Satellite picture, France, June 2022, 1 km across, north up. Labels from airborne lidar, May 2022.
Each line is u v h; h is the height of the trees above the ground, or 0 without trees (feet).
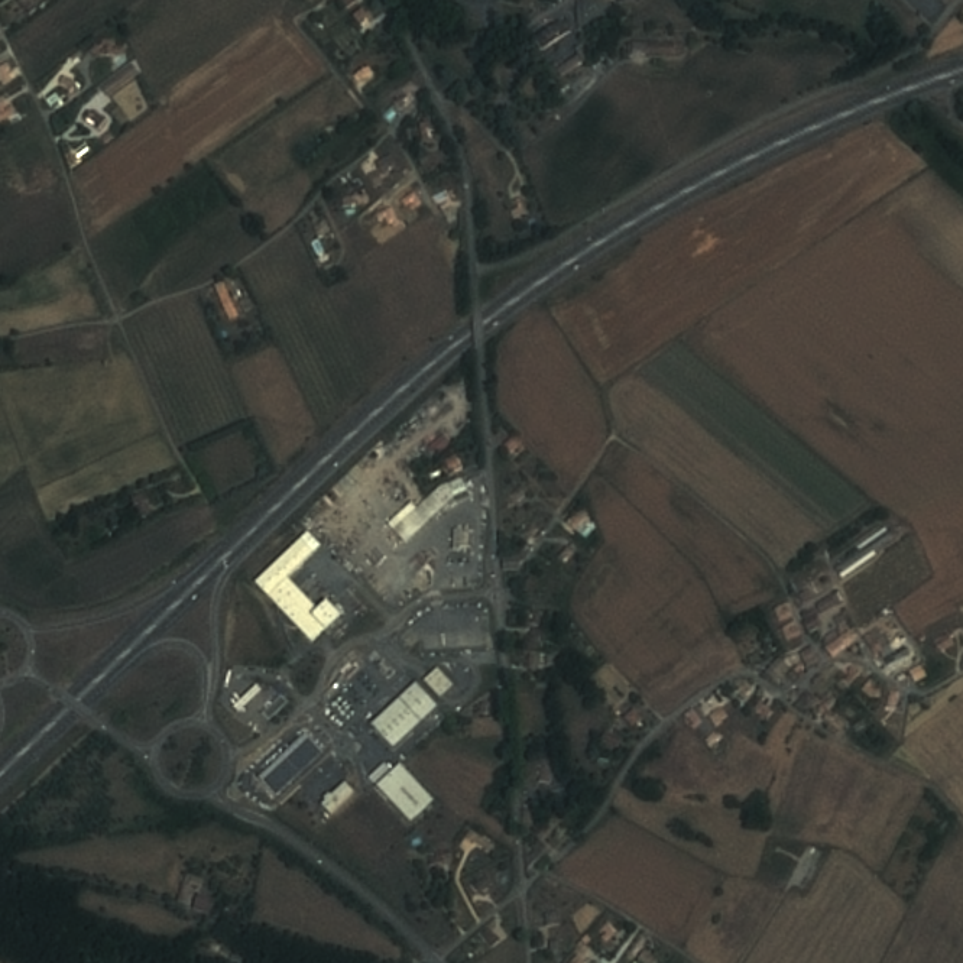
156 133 0
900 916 0
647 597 0
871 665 0
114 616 0
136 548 0
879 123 0
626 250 0
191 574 0
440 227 0
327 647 0
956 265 0
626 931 32
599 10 0
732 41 53
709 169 0
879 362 0
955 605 0
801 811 0
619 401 0
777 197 0
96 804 29
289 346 0
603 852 0
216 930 44
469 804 0
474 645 0
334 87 0
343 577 0
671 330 0
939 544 0
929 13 0
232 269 41
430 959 0
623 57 24
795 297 0
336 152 0
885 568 0
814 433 0
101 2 0
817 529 0
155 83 0
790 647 0
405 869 0
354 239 0
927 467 0
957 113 27
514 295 0
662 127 0
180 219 0
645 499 0
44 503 0
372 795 0
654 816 0
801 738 0
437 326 0
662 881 0
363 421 0
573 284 0
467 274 31
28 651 0
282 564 0
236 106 0
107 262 0
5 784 0
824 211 0
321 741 0
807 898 0
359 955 41
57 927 58
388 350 0
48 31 0
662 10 0
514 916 0
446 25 99
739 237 0
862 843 0
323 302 0
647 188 0
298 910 0
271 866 0
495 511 0
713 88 0
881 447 0
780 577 0
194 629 0
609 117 0
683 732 0
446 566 0
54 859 0
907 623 0
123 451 0
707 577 0
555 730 47
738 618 19
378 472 0
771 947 0
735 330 0
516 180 0
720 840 0
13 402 0
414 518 0
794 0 0
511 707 88
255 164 0
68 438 0
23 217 0
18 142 0
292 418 0
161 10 0
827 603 0
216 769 0
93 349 0
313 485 0
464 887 0
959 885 0
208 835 0
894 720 0
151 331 0
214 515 0
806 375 0
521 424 0
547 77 26
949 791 0
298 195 0
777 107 0
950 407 0
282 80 0
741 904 0
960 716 0
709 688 0
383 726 0
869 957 0
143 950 36
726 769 0
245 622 0
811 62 0
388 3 82
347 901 22
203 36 0
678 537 0
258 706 0
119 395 0
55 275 0
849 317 0
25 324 0
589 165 0
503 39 80
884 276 0
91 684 0
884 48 59
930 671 0
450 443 27
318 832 0
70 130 0
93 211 0
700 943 0
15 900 74
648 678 0
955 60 0
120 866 0
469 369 33
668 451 0
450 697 0
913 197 0
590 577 0
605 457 0
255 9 0
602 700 20
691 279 0
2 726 0
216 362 0
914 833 0
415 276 0
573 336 0
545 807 86
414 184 0
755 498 0
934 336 0
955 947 0
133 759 29
